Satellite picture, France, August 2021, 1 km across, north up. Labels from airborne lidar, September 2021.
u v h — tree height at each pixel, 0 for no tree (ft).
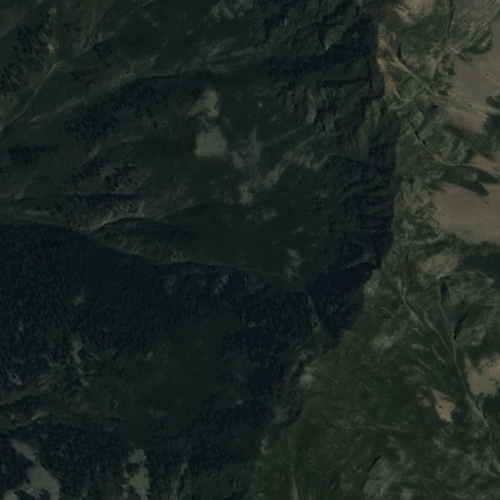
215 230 0
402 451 0
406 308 0
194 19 0
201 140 0
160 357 0
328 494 0
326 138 0
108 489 0
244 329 0
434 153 0
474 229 0
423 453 0
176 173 0
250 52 0
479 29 0
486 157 0
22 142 0
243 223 0
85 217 0
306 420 0
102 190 0
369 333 0
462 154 0
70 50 0
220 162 0
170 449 0
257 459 0
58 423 0
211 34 0
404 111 0
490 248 0
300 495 0
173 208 0
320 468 0
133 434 0
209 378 0
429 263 0
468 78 0
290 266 0
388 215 0
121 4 0
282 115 0
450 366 0
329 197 0
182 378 0
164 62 0
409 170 0
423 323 0
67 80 0
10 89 41
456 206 0
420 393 0
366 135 0
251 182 0
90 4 0
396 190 0
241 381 0
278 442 0
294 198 0
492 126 0
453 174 0
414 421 0
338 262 0
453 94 0
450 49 0
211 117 0
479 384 0
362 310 0
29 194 0
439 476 0
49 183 0
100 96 0
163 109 0
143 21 0
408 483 0
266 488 0
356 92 0
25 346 30
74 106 0
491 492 0
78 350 0
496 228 0
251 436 0
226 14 0
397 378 0
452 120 0
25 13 0
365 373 0
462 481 0
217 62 0
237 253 0
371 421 0
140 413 0
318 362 0
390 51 0
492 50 0
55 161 0
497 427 0
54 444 35
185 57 0
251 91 0
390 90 0
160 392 0
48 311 51
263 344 20
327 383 0
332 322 31
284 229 0
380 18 0
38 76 0
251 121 0
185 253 0
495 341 0
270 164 0
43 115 0
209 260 0
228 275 0
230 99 0
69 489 32
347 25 0
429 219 0
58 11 0
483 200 0
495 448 0
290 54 0
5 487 44
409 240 0
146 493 0
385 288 0
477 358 0
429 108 0
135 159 0
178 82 0
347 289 32
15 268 31
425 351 0
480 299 0
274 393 17
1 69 0
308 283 0
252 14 0
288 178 0
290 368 0
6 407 18
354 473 0
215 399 18
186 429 0
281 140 0
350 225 0
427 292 0
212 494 0
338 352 0
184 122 0
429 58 0
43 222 0
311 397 0
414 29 0
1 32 0
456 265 0
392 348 0
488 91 0
